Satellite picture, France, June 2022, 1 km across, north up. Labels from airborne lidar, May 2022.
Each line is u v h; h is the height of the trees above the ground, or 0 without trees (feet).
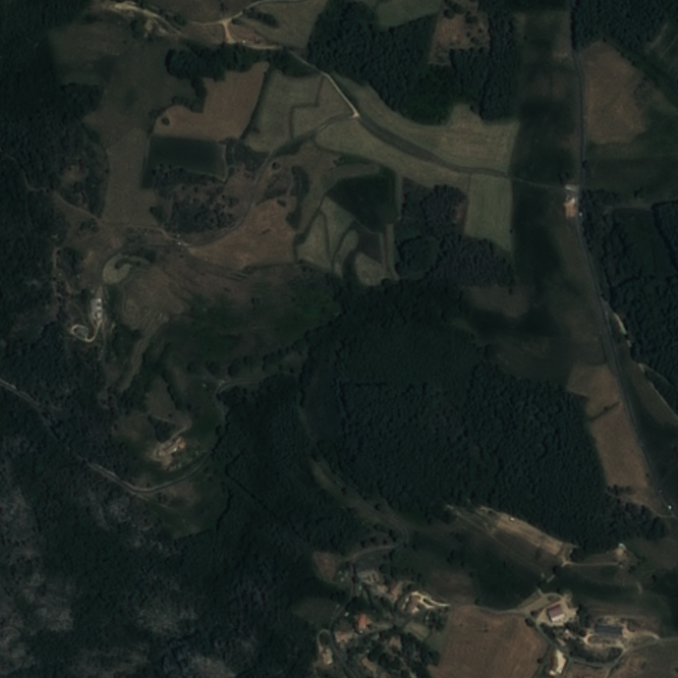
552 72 0
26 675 32
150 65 0
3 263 36
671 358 99
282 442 74
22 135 54
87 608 34
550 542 0
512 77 91
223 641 26
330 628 30
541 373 0
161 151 0
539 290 0
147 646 34
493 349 43
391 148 0
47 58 28
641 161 0
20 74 47
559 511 85
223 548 51
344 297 60
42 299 26
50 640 35
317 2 0
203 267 0
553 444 77
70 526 56
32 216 24
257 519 84
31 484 23
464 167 0
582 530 73
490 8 51
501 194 0
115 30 0
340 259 0
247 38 0
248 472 63
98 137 46
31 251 24
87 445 65
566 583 0
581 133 0
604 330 0
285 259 0
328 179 0
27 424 71
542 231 0
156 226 0
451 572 0
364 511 0
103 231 0
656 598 0
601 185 0
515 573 0
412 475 68
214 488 0
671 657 0
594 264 0
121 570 36
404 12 0
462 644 0
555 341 0
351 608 40
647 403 0
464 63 84
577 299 0
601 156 0
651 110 0
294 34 0
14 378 53
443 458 66
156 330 0
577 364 0
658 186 0
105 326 0
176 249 0
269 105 0
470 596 0
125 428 0
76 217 0
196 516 0
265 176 0
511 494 60
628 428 0
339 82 0
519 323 0
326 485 0
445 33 0
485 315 0
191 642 44
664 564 0
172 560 39
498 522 0
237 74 0
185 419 0
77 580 31
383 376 24
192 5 0
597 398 0
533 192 0
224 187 0
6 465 36
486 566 0
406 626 0
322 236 0
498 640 0
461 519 0
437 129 0
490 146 0
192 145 0
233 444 73
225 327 0
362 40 80
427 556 0
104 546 73
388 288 34
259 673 45
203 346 0
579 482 87
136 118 0
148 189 0
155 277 0
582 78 0
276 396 49
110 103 0
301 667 19
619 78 0
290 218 0
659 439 0
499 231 0
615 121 0
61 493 41
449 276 69
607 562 0
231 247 0
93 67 0
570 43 0
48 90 36
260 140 0
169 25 0
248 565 70
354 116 0
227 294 0
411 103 57
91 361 23
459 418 68
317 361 84
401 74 110
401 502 79
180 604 40
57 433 74
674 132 0
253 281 0
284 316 0
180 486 0
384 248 0
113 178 0
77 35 0
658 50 0
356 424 36
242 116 0
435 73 18
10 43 22
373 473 73
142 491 0
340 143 0
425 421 31
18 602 28
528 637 0
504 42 47
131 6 0
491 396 72
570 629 41
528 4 21
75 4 62
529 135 0
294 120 0
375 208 0
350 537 60
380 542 54
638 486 0
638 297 62
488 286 44
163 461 0
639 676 0
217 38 0
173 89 0
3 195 47
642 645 0
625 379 0
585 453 80
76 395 46
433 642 0
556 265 0
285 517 51
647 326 80
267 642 29
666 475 0
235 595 23
